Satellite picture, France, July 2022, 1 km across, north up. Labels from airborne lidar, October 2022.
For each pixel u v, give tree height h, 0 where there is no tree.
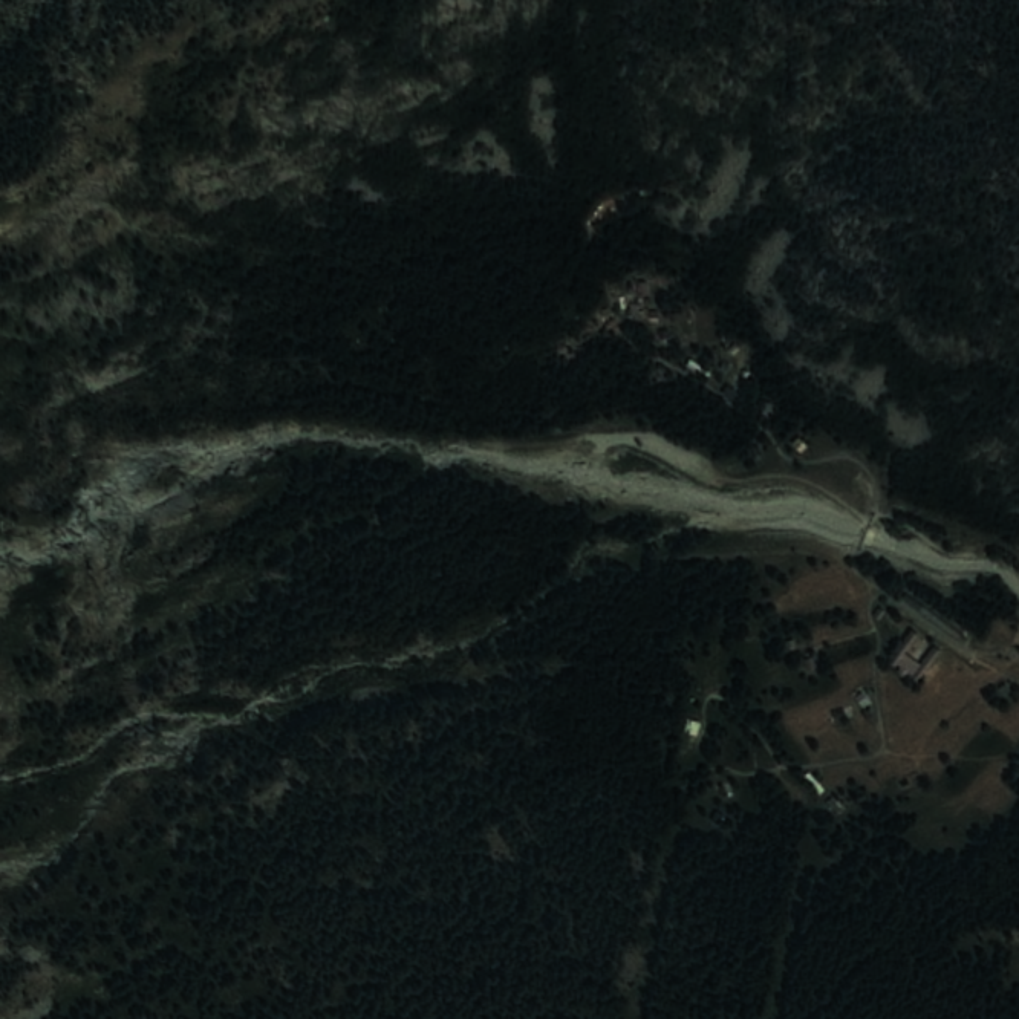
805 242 8
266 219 11
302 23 7
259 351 13
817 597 0
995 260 13
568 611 10
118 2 10
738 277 9
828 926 20
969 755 0
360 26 9
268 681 13
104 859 9
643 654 20
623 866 23
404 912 23
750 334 9
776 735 16
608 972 25
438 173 9
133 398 5
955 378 14
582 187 9
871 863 14
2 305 11
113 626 0
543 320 13
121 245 12
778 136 8
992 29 6
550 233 12
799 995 17
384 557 20
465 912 27
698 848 21
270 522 14
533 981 25
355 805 13
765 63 7
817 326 7
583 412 10
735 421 10
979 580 8
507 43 9
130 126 7
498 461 0
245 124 9
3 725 7
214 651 14
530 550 16
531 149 8
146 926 11
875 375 0
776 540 0
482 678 0
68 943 19
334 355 14
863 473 0
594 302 11
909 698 0
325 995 19
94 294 11
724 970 20
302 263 12
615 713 18
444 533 22
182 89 9
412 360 20
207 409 11
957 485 15
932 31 9
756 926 24
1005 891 15
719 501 0
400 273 21
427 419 12
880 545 0
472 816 12
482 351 13
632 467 0
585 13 10
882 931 22
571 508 16
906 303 11
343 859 18
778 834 13
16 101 14
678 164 6
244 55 8
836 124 7
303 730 24
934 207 12
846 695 0
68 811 0
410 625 15
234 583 0
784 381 16
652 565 24
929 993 13
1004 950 15
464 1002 26
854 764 0
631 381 17
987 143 8
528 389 19
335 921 18
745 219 8
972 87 7
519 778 27
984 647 0
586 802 18
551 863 25
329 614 23
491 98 10
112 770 9
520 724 28
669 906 18
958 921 16
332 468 17
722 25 8
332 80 9
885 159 11
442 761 9
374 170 10
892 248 8
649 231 17
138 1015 18
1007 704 11
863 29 11
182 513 0
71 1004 0
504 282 19
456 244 20
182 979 25
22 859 0
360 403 17
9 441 0
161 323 10
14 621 0
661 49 9
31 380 10
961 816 0
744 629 17
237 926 25
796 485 0
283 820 12
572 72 17
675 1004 18
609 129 10
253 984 10
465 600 19
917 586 18
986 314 9
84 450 6
